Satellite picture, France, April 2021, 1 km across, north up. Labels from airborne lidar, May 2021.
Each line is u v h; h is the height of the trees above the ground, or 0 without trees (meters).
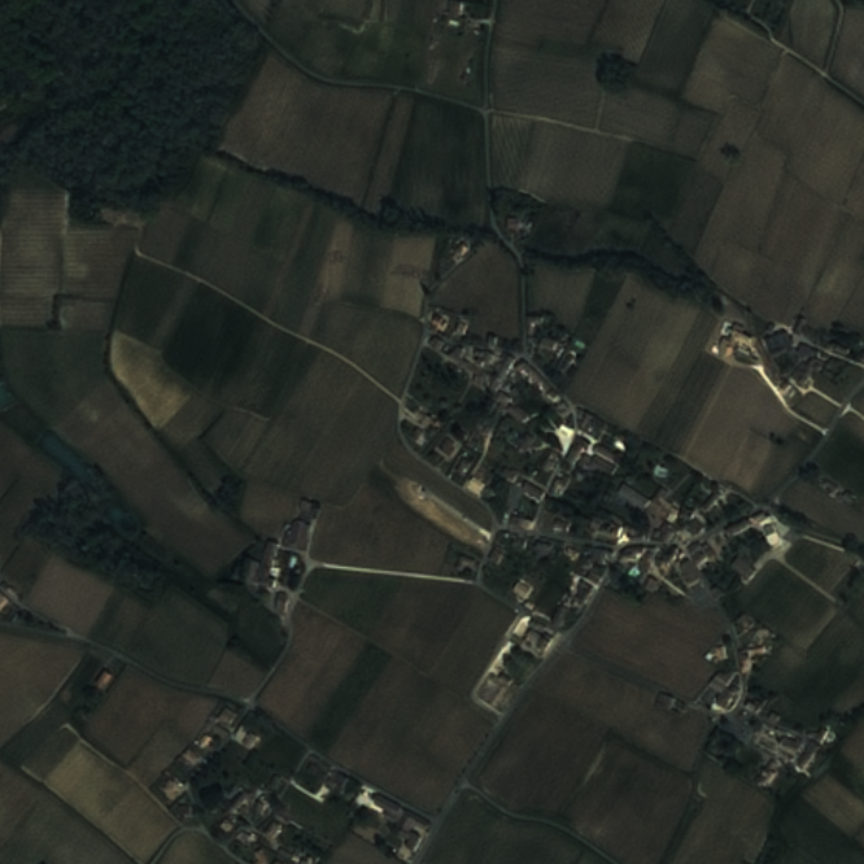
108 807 0
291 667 0
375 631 0
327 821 0
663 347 0
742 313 0
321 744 0
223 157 10
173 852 0
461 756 0
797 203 0
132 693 0
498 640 0
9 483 0
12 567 0
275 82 0
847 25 0
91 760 0
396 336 0
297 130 0
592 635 0
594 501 13
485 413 7
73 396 0
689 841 0
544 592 0
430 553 0
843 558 0
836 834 0
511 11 0
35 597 0
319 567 0
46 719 0
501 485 6
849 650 0
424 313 0
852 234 0
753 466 0
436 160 0
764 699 7
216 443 0
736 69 0
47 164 20
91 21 24
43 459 0
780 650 0
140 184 17
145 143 22
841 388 0
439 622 0
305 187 12
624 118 0
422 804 0
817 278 0
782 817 0
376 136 0
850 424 0
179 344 0
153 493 0
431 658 0
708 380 0
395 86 0
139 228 0
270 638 0
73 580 0
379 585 0
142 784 0
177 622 0
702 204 0
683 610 0
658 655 0
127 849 0
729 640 10
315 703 0
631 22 0
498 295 0
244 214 0
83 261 0
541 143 0
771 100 0
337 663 0
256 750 0
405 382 0
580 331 0
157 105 21
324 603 0
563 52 0
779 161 0
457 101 0
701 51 0
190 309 0
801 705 0
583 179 0
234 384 0
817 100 0
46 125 15
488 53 0
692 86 0
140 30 17
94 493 16
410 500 0
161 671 0
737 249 0
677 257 9
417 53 0
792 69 0
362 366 0
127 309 0
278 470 0
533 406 0
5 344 0
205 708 0
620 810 0
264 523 0
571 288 0
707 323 0
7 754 0
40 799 0
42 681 0
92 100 12
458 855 0
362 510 0
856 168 0
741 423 0
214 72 19
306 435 0
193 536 0
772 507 14
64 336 0
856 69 0
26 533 14
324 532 0
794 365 10
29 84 22
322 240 0
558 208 0
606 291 0
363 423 0
